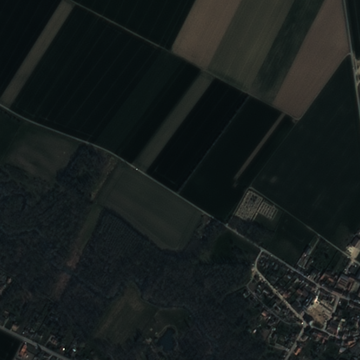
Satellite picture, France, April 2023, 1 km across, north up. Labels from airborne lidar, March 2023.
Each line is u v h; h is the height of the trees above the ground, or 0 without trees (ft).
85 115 0
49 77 0
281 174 0
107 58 0
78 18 0
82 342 75
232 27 0
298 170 0
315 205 0
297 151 0
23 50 0
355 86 0
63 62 0
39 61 0
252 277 0
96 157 106
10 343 0
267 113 0
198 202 0
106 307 88
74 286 69
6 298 59
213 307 98
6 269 32
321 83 0
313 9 0
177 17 0
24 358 0
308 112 0
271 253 0
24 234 70
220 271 90
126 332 0
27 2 0
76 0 0
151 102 0
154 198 0
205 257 0
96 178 81
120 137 0
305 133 0
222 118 0
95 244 33
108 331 0
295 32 0
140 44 0
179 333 0
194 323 70
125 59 0
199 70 0
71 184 113
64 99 0
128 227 53
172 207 0
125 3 0
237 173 0
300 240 0
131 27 0
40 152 0
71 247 47
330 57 0
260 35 0
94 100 0
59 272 77
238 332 20
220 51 0
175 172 0
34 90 0
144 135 0
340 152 0
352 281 0
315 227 0
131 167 0
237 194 0
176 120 0
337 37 0
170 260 77
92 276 53
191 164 0
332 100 0
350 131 0
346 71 0
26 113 0
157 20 0
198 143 0
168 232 0
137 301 0
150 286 120
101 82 0
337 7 0
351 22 0
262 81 0
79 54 0
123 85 0
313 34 0
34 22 0
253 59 0
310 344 0
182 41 0
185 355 75
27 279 95
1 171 81
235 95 0
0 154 0
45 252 83
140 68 0
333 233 0
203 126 0
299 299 0
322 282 0
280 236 0
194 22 0
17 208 93
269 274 30
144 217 0
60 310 65
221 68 0
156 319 0
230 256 0
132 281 0
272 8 0
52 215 78
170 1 0
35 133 0
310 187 0
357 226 0
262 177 0
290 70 0
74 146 0
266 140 0
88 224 0
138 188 0
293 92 0
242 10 0
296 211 0
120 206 0
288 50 0
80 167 27
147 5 0
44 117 0
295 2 0
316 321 0
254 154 0
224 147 0
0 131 0
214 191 0
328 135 0
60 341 35
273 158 0
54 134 0
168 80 0
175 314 0
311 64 0
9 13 0
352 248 0
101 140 0
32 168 0
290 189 0
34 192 0
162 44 0
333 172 0
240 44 0
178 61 0
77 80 0
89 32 0
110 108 0
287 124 0
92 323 90
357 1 0
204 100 0
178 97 0
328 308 0
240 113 0
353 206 0
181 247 0
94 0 0
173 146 0
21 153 0
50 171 0
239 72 0
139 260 67
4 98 0
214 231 78
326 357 39
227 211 0
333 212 0
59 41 0
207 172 0
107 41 0
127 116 0
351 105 0
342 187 0
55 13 0
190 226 0
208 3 0
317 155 0
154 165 0
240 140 0
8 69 0
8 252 80
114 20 0
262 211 0
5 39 0
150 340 0
